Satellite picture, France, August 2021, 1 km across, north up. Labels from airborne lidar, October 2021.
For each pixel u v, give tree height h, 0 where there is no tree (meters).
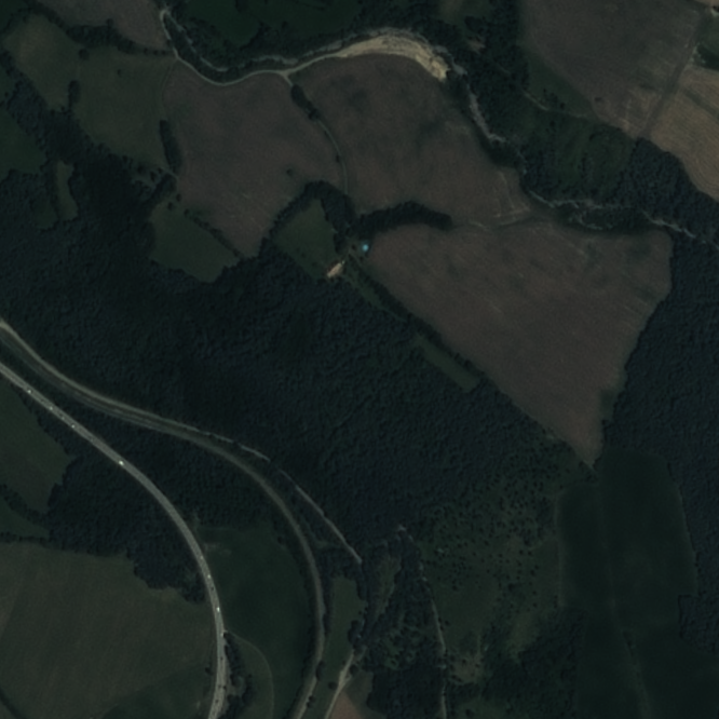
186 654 0
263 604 0
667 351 17
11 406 0
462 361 10
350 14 0
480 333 0
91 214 19
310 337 20
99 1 0
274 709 0
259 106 0
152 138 0
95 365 13
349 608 0
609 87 0
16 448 0
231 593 0
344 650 0
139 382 17
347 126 0
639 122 0
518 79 15
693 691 0
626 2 0
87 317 11
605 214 6
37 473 0
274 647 0
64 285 19
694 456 8
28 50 0
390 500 19
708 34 0
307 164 0
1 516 0
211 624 0
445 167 0
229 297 23
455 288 0
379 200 0
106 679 0
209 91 0
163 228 0
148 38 0
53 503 13
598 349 0
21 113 16
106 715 0
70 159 20
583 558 0
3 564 0
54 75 0
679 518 0
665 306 13
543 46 0
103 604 0
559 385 0
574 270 0
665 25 0
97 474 13
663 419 13
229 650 15
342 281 17
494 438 12
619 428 11
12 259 17
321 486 21
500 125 10
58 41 0
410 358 9
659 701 0
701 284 13
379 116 0
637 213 9
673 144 0
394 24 7
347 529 14
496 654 10
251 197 0
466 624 0
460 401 12
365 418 17
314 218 0
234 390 20
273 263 21
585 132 0
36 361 0
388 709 17
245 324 10
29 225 18
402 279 0
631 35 0
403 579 15
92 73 0
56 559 0
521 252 0
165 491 18
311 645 6
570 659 11
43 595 0
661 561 0
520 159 9
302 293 19
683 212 26
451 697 11
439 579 8
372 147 0
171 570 14
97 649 0
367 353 16
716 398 7
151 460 18
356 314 16
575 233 0
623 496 0
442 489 12
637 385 15
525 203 0
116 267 20
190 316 22
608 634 0
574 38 0
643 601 0
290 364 14
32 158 0
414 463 16
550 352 0
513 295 0
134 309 24
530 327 0
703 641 16
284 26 10
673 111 0
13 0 0
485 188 0
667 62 0
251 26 0
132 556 14
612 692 0
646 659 0
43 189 14
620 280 0
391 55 0
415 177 0
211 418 19
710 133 0
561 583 0
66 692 0
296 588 0
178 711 0
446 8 0
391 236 0
